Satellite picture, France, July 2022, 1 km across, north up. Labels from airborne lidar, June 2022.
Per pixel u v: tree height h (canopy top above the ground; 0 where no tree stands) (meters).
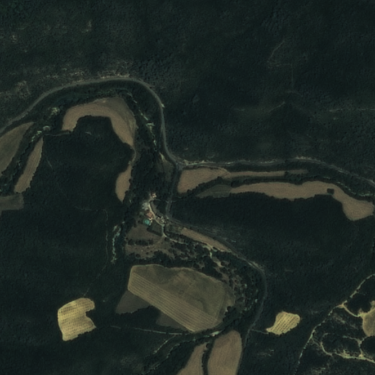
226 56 6
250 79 10
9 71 10
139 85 11
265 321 6
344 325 8
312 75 6
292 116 9
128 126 0
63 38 8
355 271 8
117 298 11
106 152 6
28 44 6
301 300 6
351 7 8
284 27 6
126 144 11
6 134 0
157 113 6
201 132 5
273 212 10
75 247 6
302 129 6
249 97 6
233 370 0
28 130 10
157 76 14
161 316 0
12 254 8
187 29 7
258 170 8
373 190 11
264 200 10
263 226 7
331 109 8
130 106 7
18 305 5
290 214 8
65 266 6
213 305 0
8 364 12
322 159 6
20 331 6
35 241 6
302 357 6
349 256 9
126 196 6
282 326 0
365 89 6
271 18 7
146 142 10
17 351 9
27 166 0
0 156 0
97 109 0
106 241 8
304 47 7
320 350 7
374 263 15
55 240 8
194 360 0
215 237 10
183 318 0
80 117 8
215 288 0
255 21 6
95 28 8
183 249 21
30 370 5
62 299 7
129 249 0
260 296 9
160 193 10
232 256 9
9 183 18
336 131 6
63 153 7
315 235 6
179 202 8
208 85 6
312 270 9
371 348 6
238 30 8
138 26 10
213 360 0
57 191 7
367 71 9
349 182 9
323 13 8
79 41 9
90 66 7
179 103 8
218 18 6
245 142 6
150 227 11
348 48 6
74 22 7
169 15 6
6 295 6
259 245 5
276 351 9
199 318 0
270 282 7
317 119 9
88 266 8
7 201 0
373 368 6
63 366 6
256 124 7
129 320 8
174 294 0
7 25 8
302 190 0
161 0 6
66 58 6
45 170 6
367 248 8
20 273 7
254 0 6
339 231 8
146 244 11
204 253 15
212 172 0
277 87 12
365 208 0
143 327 7
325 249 8
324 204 6
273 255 8
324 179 12
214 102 6
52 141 8
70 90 7
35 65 7
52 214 7
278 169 7
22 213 5
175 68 13
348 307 6
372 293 8
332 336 6
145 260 10
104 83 6
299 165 7
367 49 7
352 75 6
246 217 8
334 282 9
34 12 10
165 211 7
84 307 0
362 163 9
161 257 17
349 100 8
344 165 9
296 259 6
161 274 0
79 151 10
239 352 0
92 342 8
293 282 6
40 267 6
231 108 7
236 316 22
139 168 13
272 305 8
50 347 7
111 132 8
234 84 7
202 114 7
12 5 11
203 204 9
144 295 0
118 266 9
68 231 10
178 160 0
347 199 0
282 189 0
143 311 10
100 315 5
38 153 0
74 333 0
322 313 10
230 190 0
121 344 8
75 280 6
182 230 0
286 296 8
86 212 6
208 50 8
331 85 8
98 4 13
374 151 9
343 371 6
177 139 6
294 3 5
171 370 8
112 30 8
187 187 0
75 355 7
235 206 6
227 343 0
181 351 13
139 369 0
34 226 7
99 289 9
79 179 8
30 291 7
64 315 0
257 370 9
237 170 7
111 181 10
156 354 7
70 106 9
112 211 10
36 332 6
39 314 7
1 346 9
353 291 8
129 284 0
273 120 9
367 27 5
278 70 10
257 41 9
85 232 7
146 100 7
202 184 10
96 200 8
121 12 15
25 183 0
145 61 20
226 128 15
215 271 9
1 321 9
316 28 11
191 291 0
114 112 0
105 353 8
